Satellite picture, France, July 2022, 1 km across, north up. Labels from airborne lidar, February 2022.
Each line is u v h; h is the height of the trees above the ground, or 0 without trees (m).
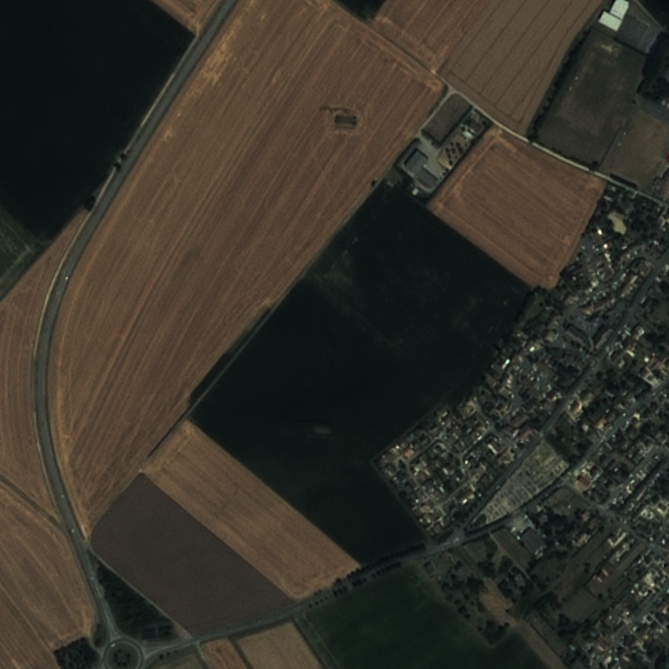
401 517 0
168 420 0
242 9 0
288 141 0
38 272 0
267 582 0
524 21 0
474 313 0
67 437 0
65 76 0
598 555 0
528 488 0
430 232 0
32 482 0
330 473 0
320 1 0
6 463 0
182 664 0
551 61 0
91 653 10
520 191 0
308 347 0
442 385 0
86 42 0
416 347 0
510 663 0
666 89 11
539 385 0
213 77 0
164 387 0
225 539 0
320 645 0
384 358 0
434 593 0
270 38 0
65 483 0
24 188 0
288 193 0
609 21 0
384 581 0
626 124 0
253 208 0
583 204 0
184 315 0
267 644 0
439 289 0
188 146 0
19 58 0
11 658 0
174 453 0
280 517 0
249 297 0
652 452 0
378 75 0
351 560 0
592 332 0
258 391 0
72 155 0
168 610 0
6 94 0
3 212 0
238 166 0
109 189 0
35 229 0
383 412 0
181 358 0
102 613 0
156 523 0
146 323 0
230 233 0
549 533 16
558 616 0
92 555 0
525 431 0
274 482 0
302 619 0
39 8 0
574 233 0
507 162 0
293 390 0
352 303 0
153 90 0
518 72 0
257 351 0
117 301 0
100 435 0
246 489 0
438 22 0
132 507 0
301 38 0
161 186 0
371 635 0
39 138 0
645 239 13
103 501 0
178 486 0
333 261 0
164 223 0
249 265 0
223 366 0
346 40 0
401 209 0
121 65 0
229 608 0
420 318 0
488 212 0
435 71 0
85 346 0
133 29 0
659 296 0
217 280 0
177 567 0
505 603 0
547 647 0
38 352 0
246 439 0
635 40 0
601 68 0
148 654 0
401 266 0
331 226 0
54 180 0
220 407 0
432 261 0
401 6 0
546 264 0
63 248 0
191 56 0
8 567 0
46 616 0
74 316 0
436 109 0
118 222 0
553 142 0
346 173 0
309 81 0
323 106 0
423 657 0
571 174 0
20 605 0
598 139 0
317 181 0
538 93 0
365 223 0
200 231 0
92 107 0
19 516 0
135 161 0
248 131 0
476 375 0
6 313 0
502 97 0
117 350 0
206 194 0
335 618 0
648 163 0
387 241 0
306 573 0
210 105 0
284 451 0
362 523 0
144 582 0
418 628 0
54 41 0
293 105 0
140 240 0
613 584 0
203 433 0
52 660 0
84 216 0
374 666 0
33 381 0
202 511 0
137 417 0
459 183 0
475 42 0
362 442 0
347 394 0
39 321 0
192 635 0
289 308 0
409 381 0
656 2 0
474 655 0
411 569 0
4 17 0
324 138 0
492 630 12
